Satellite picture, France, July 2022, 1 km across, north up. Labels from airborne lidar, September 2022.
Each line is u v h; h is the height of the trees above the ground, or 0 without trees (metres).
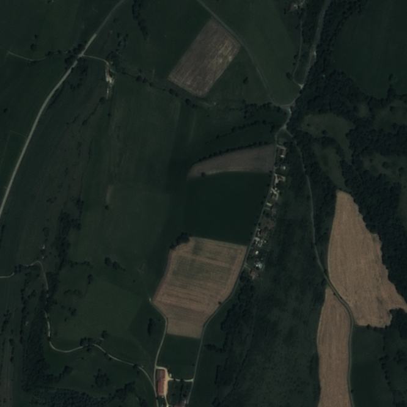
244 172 0
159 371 0
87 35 0
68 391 7
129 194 0
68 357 0
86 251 0
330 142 19
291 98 0
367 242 0
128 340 0
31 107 0
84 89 0
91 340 9
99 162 0
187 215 0
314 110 21
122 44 9
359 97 20
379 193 17
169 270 0
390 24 0
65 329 0
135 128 0
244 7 0
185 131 0
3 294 0
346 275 0
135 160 0
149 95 0
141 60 0
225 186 0
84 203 12
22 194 0
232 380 7
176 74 0
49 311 13
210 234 0
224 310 0
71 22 0
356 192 14
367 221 15
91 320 0
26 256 0
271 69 0
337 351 0
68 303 0
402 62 0
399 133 14
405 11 0
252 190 0
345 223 0
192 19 0
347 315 0
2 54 0
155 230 0
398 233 19
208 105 0
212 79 0
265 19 0
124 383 0
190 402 0
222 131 0
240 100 0
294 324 0
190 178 0
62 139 0
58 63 0
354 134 18
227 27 0
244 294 15
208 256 0
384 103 20
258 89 0
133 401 0
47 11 0
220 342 0
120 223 0
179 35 0
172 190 0
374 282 0
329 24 14
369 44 0
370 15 0
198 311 0
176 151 0
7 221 0
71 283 0
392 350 0
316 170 18
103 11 0
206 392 0
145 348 0
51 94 0
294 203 0
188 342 0
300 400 0
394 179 0
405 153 15
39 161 0
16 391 0
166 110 0
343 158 8
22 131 0
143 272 0
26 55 0
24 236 0
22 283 0
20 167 0
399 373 0
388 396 0
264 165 0
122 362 0
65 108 0
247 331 0
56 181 0
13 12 0
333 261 0
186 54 0
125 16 0
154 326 18
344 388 0
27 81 0
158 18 0
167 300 0
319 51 15
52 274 8
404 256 22
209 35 0
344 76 20
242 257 0
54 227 0
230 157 0
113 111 0
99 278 0
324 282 12
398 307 0
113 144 0
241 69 0
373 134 22
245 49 0
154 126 0
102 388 13
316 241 6
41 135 0
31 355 12
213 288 0
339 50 0
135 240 0
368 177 15
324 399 0
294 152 13
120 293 0
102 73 0
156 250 0
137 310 0
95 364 0
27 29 0
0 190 0
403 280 22
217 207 0
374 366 0
